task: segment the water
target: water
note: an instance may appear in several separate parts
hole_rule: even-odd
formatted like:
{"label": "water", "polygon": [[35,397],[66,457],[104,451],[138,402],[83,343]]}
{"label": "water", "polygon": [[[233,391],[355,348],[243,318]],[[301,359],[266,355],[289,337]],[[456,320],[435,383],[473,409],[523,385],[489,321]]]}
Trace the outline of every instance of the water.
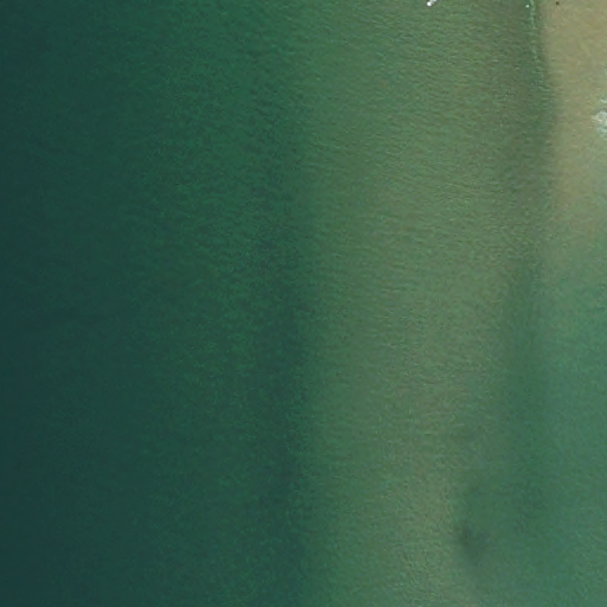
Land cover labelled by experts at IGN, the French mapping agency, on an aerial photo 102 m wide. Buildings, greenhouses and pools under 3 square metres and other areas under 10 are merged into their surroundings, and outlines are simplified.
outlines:
{"label": "water", "polygon": [[607,0],[0,0],[0,607],[607,607]]}

